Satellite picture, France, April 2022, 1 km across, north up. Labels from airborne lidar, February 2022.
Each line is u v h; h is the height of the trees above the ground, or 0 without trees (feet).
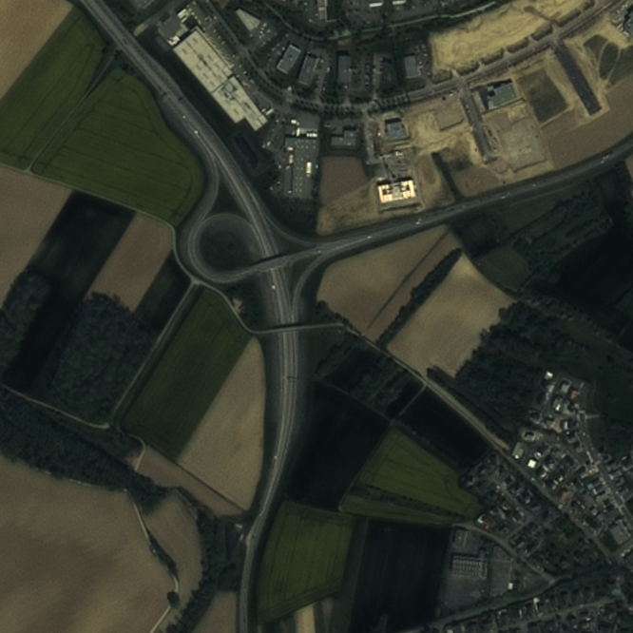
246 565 0
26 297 100
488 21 0
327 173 0
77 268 0
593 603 0
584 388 0
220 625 0
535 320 27
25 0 0
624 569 59
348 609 0
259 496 0
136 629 0
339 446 0
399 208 0
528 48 0
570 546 0
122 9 44
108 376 90
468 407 21
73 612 0
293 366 0
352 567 0
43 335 0
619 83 0
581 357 20
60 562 0
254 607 0
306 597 0
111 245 0
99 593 0
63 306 0
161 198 0
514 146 0
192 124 0
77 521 0
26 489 0
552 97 0
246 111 0
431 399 0
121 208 0
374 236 0
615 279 0
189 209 0
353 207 0
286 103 0
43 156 0
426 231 0
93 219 0
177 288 0
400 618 0
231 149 0
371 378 37
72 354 88
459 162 0
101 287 0
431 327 0
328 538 0
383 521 0
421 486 0
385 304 0
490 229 0
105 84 0
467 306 0
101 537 0
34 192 0
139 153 0
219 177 0
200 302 0
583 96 0
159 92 0
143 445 48
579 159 0
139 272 0
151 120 0
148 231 0
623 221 0
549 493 0
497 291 0
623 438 27
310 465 0
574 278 0
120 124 0
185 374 0
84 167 0
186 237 0
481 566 0
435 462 0
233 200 0
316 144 0
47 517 0
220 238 0
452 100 0
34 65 0
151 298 0
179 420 0
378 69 0
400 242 0
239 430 0
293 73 0
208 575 38
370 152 0
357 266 0
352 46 0
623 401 0
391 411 0
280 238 0
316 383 0
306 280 0
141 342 82
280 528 0
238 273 0
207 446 0
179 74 0
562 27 0
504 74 0
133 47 0
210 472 0
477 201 0
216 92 0
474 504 0
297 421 0
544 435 0
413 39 0
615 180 0
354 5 0
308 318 0
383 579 0
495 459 0
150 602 0
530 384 33
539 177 0
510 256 0
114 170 0
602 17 0
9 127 0
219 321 0
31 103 0
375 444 0
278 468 0
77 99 0
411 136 0
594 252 0
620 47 0
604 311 0
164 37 0
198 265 0
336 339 0
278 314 0
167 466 0
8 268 0
